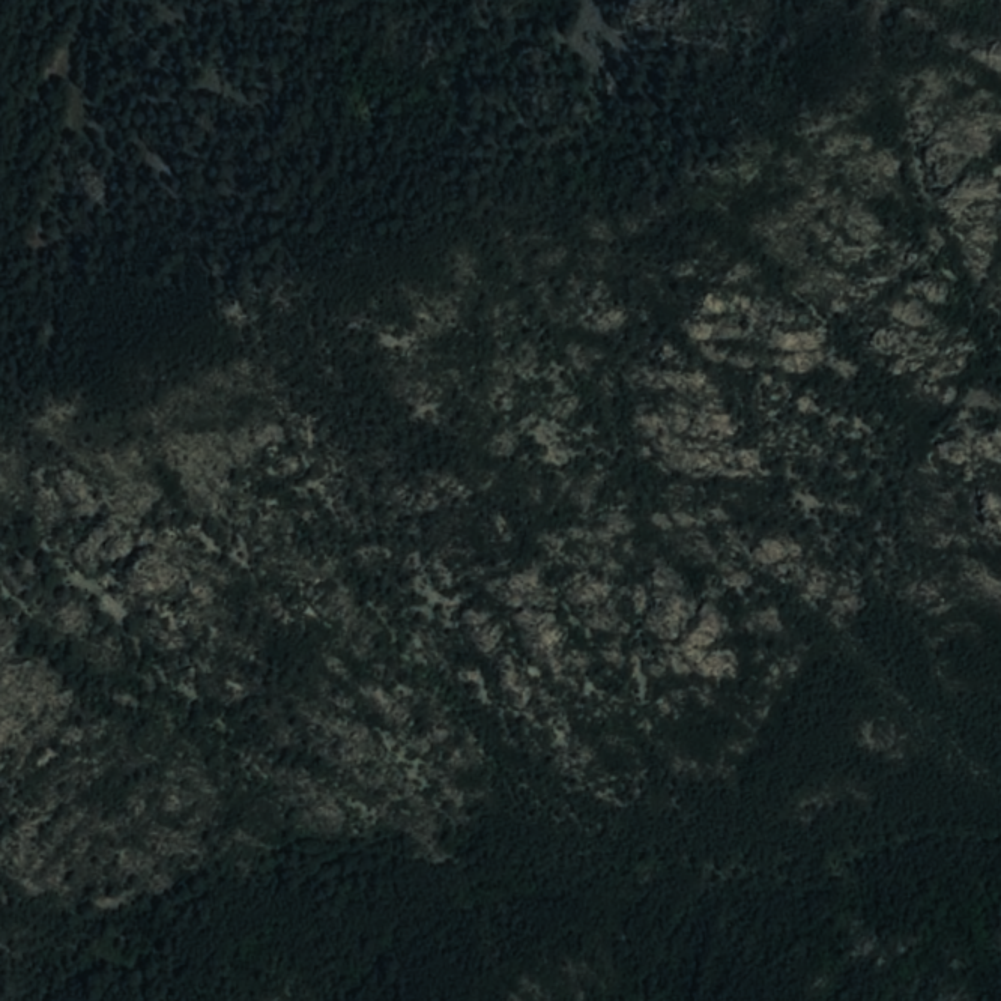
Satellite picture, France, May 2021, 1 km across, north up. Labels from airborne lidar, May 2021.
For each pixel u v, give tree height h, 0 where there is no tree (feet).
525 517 32
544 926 57
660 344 59
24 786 72
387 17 46
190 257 34
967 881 73
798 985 37
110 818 60
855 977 51
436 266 52
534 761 69
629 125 84
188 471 0
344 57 41
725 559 31
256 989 20
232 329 45
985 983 46
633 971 38
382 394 54
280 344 40
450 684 30
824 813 65
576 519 18
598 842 43
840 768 55
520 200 69
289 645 38
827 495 66
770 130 35
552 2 22
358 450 59
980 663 60
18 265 118
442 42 73
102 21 23
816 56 25
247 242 43
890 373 33
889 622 48
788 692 18
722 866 67
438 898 79
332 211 37
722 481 71
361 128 62
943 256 25
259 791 19
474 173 71
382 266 49
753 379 44
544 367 17
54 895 33
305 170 73
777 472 69
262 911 83
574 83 88
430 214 64
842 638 23
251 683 38
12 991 122
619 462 46
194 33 65
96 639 53
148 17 92
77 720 27
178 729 23
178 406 27
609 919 51
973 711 20
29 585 32
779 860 47
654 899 57
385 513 81
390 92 32
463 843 35
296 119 75
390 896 61
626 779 31
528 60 24
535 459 57
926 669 51
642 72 103
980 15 23
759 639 51
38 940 37
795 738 52
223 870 90
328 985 55
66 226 80
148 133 81
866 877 60
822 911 68
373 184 91
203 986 56
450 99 49
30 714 38
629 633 37
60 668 114
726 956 48
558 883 68
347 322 44
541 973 19
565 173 37
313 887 72
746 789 55
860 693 49
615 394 36
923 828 75
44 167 93
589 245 34
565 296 72
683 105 68
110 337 33
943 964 26
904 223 50
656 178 58
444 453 38
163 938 45
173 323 40
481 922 47
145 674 26
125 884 17
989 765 26
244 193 54
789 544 0
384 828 24
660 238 34
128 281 36
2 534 89
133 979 109
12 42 42
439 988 54
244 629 54
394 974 118
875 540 31
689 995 33
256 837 47
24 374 70
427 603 31
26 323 83
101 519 22
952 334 20
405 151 65
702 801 56
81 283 32
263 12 86
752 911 42
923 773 61
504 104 52
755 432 29
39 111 87
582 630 32
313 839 39
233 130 80
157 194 69
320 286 43
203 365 48
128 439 38
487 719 18
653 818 50
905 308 0
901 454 72
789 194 37
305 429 20
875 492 34
